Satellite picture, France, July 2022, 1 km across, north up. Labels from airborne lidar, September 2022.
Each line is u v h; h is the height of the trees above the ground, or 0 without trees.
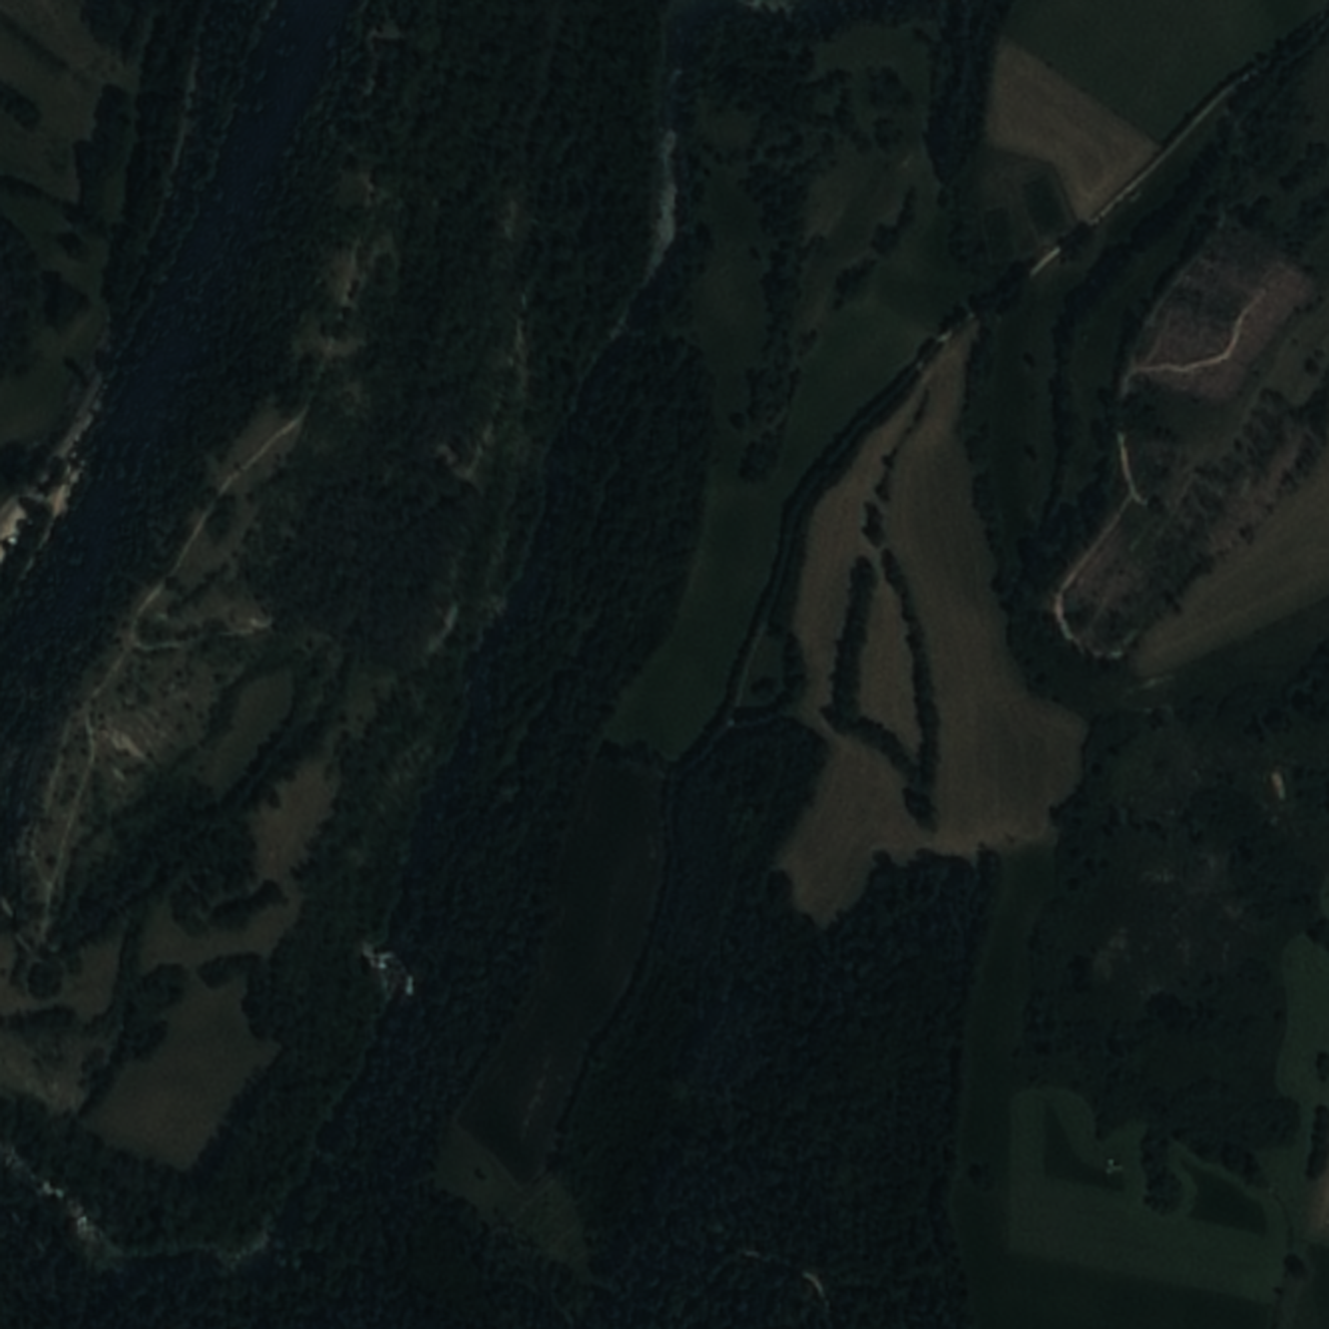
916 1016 21
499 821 16
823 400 0
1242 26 0
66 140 0
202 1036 0
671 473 11
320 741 16
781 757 16
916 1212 11
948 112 24
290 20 12
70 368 0
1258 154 13
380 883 13
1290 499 0
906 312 0
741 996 26
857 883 0
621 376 20
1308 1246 0
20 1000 0
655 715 0
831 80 11
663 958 7
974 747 0
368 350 7
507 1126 0
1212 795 6
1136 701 0
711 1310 18
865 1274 18
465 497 15
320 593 12
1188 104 0
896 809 0
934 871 22
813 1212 7
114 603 8
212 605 0
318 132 22
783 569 6
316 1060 16
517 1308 6
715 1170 9
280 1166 15
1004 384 0
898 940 24
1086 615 7
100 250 0
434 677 11
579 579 8
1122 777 0
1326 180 0
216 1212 9
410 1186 22
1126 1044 13
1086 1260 0
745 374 0
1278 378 0
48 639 8
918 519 0
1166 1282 0
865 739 19
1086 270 0
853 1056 24
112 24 23
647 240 14
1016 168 0
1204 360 0
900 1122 25
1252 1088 0
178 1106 0
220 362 22
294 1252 15
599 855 0
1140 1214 0
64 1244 13
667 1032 13
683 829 22
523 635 13
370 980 13
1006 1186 0
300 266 11
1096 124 0
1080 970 17
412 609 16
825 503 0
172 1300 31
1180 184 0
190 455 11
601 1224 8
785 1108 16
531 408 8
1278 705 9
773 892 17
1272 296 0
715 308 0
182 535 7
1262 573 0
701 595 0
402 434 11
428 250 15
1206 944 0
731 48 8
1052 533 22
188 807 7
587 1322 10
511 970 22
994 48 12
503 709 20
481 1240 20
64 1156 8
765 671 0
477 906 15
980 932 23
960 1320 19
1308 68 7
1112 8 0
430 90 20
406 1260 12
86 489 9
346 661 11
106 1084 17
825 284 0
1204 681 0
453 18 27
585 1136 8
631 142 12
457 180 7
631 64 14
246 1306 15
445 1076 17
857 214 0
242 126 10
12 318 27
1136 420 10
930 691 12
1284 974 0
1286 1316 0
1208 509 16
